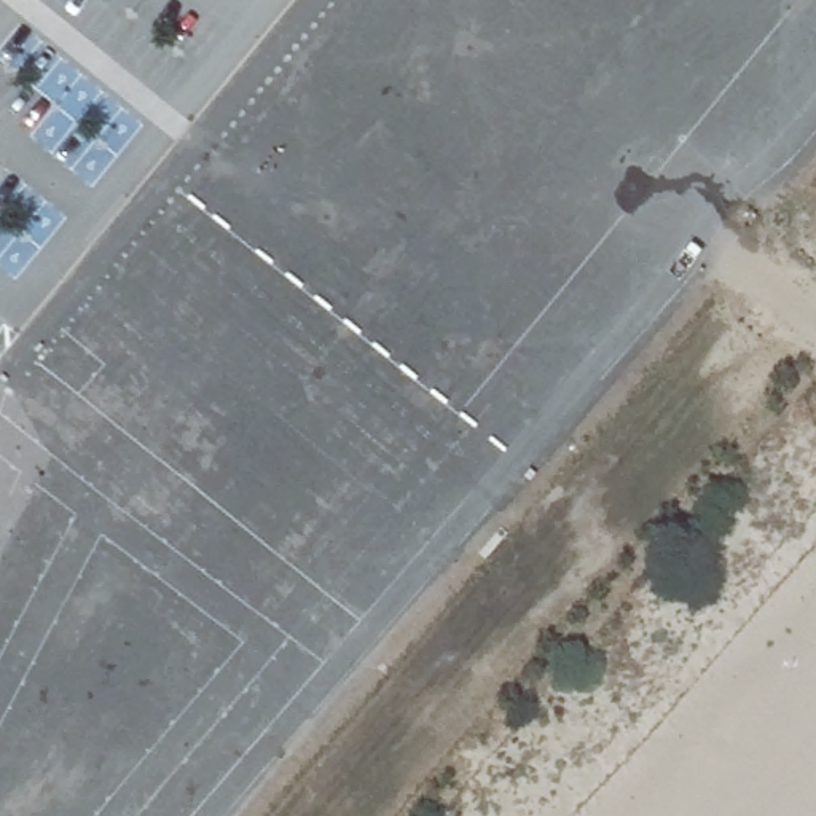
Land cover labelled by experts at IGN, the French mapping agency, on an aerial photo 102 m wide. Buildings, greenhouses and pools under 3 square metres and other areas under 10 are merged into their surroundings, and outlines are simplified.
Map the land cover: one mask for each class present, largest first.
<instances>
[{"label":"impervious surface","instance_id":"1","mask_svg":"<svg viewBox=\"0 0 816 816\"><path fill-rule=\"evenodd\" d=\"M816 153V0H0V207H19L22 198L35 204V217L22 233L0 230V816H230L242 794L261 778V771L284 755L296 727L306 717H312V711L335 692V685L379 644L383 631L392 628V622L418 602V596L427 587H434L475 545V539L494 523V516L504 513L523 494V485L536 475V469H545L561 446L571 443L574 430L593 414V408L609 395V389L631 370V363L685 306L695 284L708 277L711 265L717 261V249L708 239L724 226V217L736 214L733 198L762 204L768 194H775V188L794 182Z\"/></svg>","mask_w":816,"mask_h":816},{"label":"herbaceous vegetation","instance_id":"2","mask_svg":"<svg viewBox=\"0 0 816 816\"><path fill-rule=\"evenodd\" d=\"M736 214L724 217V226L733 230L740 245H746L749 252H771L784 242L787 255L800 268H806L816 284V153L794 182L775 188V194H768L762 204L733 198ZM794 354L784 341L775 338L768 325L752 322V306L743 293L727 290L720 281L711 284L708 277L695 284L685 306L631 363V370L609 389V395L593 408V414L574 430L571 443L561 446L545 469H536V475L523 485V494L504 513L494 516V523L475 539V545L434 587H427L418 596V602L392 622V628L383 631L379 644L335 685V692L312 711V717H306L296 727L284 755L261 771V778L242 794L230 816H411V806L427 791V778L449 765L456 768V784L443 791L446 816H462V794H475L481 813H500V803L491 800L488 787L478 784V775H488L491 781L539 778L532 762L539 759V752L529 749V740L520 736V730L507 727V714L497 695L500 685L513 682L516 673L536 653L542 628L551 625L561 634H587L593 647L606 653V673L599 685L609 692L612 701H622L625 692L641 689L644 666L628 650L625 622L634 612L638 590H650V580L644 574V523L660 516V507L666 500H679L682 510L695 507V494L676 475L679 469L698 459V453L720 449L724 440L740 443V453L752 459L746 510L755 529H778L787 539L803 536L810 513H816V500H806L800 494V481L787 472L784 443L787 430H797L810 421L816 446V360H813V367L800 373L797 386L787 392L784 414H771L765 405V386L771 379L775 363ZM622 545L634 548V564L625 571V577L612 583L606 599L590 606L587 622H571V606L580 599L590 580L602 574L609 561H615ZM755 564L752 548L730 551L724 545L727 577L743 574ZM567 692L558 689L551 676H542L536 692L542 717L536 720H561Z\"/></svg>","mask_w":816,"mask_h":816},{"label":"bare soil","instance_id":"3","mask_svg":"<svg viewBox=\"0 0 816 816\"><path fill-rule=\"evenodd\" d=\"M717 249V261L711 265L708 277L711 284L720 281L727 290L743 293L752 306V322L768 325L775 338L784 341L794 354H810L813 360H816V284L806 268H800L787 255L784 242L771 252H749L746 245H740L733 230L724 226L708 239ZM787 472L800 481V494L806 500H816V446L810 421L797 430H787L784 443ZM724 545L730 551L752 548L755 564L743 574L727 577L720 599L704 609L666 602L650 590H638L634 612L625 622L628 650L644 666L641 689L625 692L622 701H612L609 692L599 685L567 692L561 720H536L520 730V736L529 740V749L539 752V759L532 762L539 778L491 781L488 775H478V784L488 787L491 800L500 803V813H481L475 794H462V816H816V513H810L803 536L787 539L778 529H755L746 510L736 513V526L724 539Z\"/></svg>","mask_w":816,"mask_h":816},{"label":"brushwood","instance_id":"4","mask_svg":"<svg viewBox=\"0 0 816 816\"><path fill-rule=\"evenodd\" d=\"M813 367V360L810 354H794L775 363L771 379L765 386V405L771 414H784L787 392L797 386L800 373ZM695 494V507L682 510L679 500H666L660 507V516L644 523V574L650 580V590L666 602L704 609L720 599L727 577L724 545V539L736 526V513L746 510L752 459L740 453V443L724 440L720 449L698 453V459L679 469L676 475ZM634 564V548L622 545L615 561H609L602 574L590 580L580 599L571 606V622H587L590 606L606 599L612 583L625 577V571ZM606 673V653L593 647L587 634H561L551 625L542 628L536 653L516 673L513 682L500 685L497 695L507 714V727L520 730L536 720L542 717L536 692L542 676H551L558 689L567 692L599 685ZM456 784V768L449 765L427 778V791L411 806V816H446L443 791Z\"/></svg>","mask_w":816,"mask_h":816},{"label":"deciduous trees","instance_id":"5","mask_svg":"<svg viewBox=\"0 0 816 816\"><path fill-rule=\"evenodd\" d=\"M35 217V204L22 198L19 207H0V230L22 233Z\"/></svg>","mask_w":816,"mask_h":816}]
</instances>
